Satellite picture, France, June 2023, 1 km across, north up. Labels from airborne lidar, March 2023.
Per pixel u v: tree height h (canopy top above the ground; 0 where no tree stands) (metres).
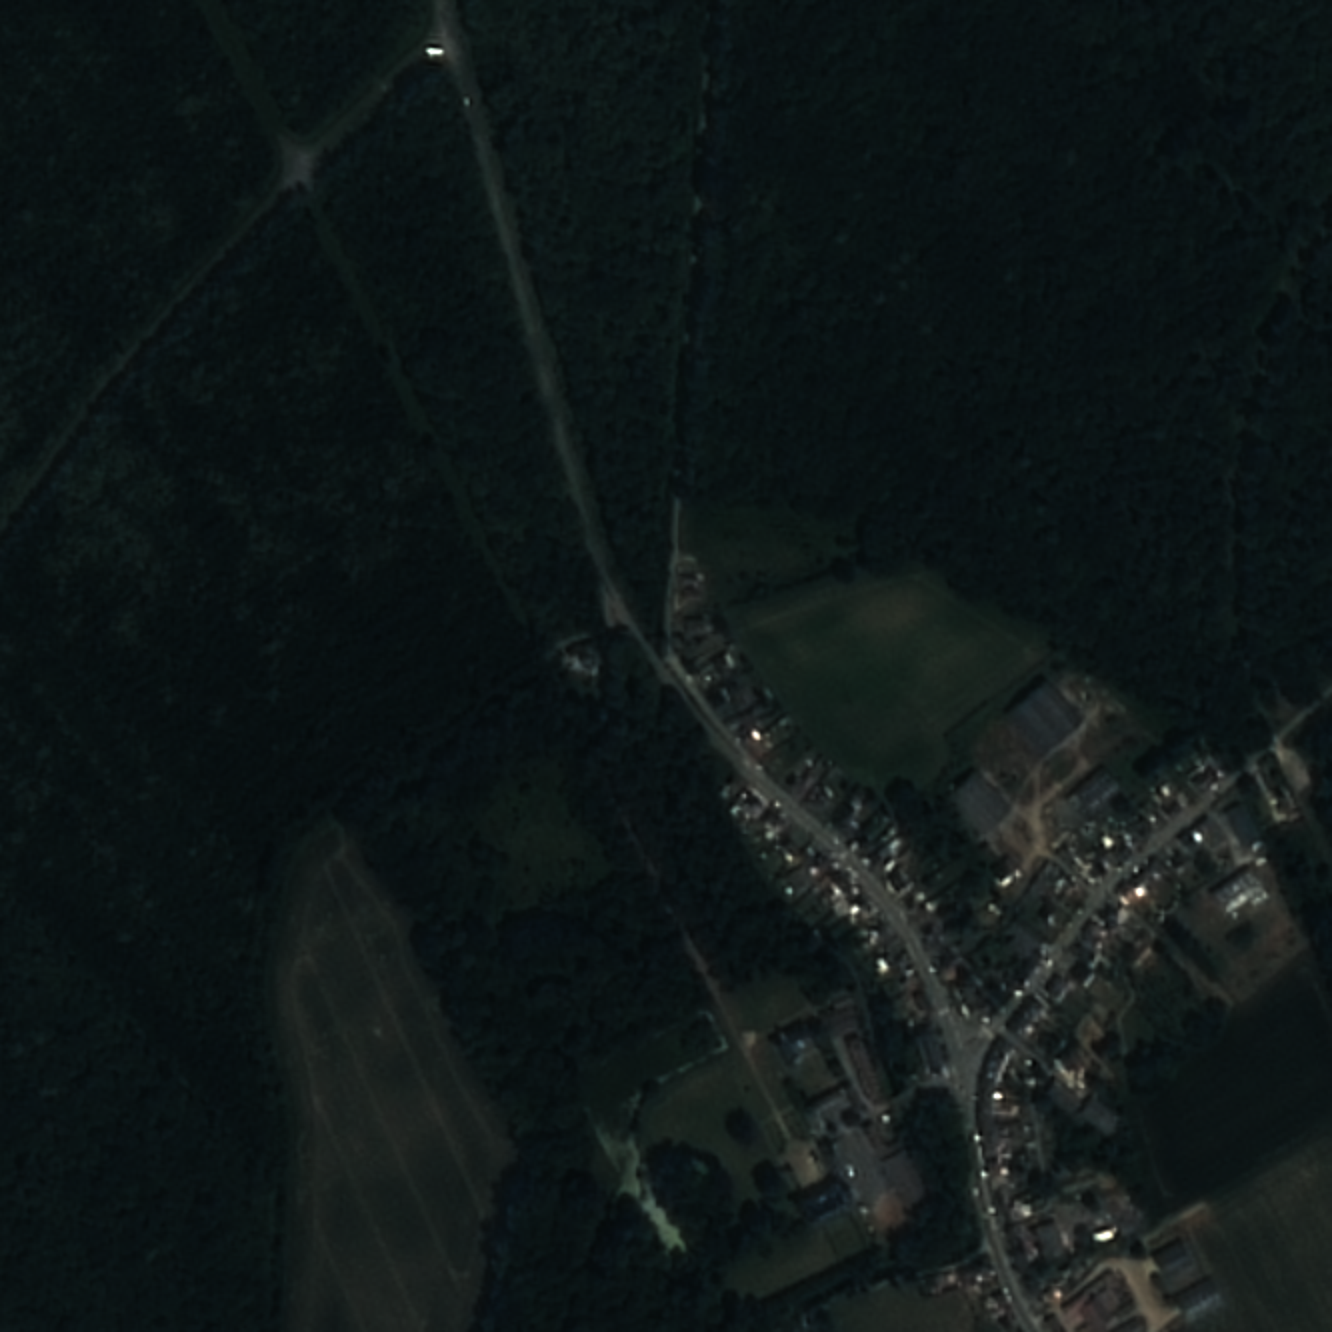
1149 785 0
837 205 23
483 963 29
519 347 20
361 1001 0
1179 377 25
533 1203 29
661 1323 29
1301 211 32
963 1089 0
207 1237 24
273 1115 7
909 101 22
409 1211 0
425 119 21
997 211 21
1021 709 0
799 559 0
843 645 0
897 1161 0
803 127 22
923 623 0
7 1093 22
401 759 17
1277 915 0
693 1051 0
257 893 13
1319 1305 0
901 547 18
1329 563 21
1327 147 24
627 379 22
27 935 18
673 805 30
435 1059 0
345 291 10
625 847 28
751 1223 20
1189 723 13
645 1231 22
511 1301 28
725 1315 9
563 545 21
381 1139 0
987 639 0
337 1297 0
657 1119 0
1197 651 22
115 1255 23
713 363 26
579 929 28
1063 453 21
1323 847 0
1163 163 17
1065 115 25
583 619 14
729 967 25
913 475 21
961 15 25
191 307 11
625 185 22
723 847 21
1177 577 22
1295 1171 0
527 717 29
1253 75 24
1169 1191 0
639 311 18
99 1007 17
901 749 0
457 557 13
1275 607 21
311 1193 0
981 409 23
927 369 22
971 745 0
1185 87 30
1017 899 0
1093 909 0
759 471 21
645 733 31
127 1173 24
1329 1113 0
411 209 14
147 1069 17
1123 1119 7
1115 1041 14
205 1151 22
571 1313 29
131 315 11
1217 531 22
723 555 0
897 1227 0
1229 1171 0
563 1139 30
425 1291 0
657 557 9
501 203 0
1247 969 0
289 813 21
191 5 10
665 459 13
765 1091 0
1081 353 22
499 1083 27
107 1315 19
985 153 21
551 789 0
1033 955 0
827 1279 7
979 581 22
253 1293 21
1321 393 23
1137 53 26
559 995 26
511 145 20
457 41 0
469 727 18
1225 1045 0
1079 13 26
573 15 20
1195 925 0
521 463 25
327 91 12
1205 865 8
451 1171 0
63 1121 20
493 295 18
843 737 0
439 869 33
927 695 0
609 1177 0
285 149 0
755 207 22
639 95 22
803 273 22
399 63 0
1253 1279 0
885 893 0
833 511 21
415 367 22
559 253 17
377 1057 0
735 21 23
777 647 0
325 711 13
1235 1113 0
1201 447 24
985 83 23
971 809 0
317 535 9
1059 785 0
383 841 26
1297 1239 0
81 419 0
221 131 13
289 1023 0
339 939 0
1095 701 0
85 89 12
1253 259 23
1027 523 24
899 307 24
